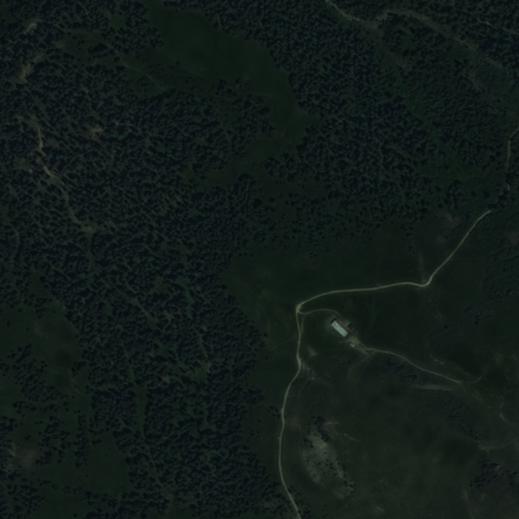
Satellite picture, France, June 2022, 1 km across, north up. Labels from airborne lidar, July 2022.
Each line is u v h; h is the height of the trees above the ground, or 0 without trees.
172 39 0
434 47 16
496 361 0
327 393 0
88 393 11
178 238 25
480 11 15
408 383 0
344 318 0
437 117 7
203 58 0
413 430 0
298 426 0
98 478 0
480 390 0
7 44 30
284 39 9
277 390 0
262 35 17
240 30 12
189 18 0
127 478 0
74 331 0
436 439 0
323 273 0
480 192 6
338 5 12
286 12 26
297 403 0
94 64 0
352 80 30
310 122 0
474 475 0
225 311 21
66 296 17
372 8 16
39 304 11
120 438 24
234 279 0
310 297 0
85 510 0
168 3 15
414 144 25
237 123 6
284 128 0
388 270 0
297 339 0
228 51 0
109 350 15
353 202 19
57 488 6
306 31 29
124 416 14
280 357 0
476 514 0
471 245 0
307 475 0
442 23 10
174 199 22
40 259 24
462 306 0
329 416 0
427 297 0
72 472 0
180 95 13
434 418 0
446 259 0
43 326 0
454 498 0
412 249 11
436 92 6
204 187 0
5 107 19
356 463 0
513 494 0
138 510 20
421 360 0
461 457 0
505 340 0
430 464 0
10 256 14
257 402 16
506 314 0
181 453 11
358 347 0
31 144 29
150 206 16
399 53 15
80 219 23
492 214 6
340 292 0
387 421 0
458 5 12
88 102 28
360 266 0
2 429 22
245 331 18
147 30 21
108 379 12
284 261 0
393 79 14
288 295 0
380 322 0
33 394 11
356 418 0
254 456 8
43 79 26
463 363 0
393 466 0
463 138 14
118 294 10
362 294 0
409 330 0
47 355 0
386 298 0
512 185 20
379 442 0
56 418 7
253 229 6
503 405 0
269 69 0
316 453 0
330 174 20
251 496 19
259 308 0
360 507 0
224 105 9
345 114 21
